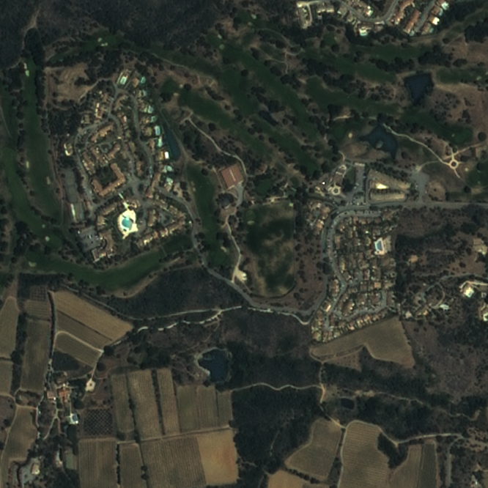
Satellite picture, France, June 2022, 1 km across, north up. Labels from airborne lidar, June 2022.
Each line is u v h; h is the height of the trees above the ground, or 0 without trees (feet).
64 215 0
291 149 0
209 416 0
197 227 0
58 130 23
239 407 32
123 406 0
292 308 0
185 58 0
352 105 0
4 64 25
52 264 0
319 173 35
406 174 21
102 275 0
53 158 0
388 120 53
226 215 0
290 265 0
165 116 0
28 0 21
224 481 0
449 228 24
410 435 26
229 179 0
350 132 0
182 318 23
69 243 29
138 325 26
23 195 0
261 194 0
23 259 0
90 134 0
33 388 0
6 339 0
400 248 19
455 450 33
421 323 31
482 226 27
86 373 0
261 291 0
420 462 0
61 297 0
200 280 18
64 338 0
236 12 32
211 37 0
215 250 0
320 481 25
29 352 0
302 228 24
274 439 21
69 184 0
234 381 29
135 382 0
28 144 0
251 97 42
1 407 0
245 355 50
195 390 0
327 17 18
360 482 0
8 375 0
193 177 0
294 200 28
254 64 0
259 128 23
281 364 23
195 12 26
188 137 38
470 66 0
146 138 41
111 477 0
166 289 21
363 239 20
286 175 0
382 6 23
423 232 0
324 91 0
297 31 32
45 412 28
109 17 25
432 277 27
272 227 0
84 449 0
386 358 0
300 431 25
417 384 23
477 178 0
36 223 0
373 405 50
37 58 43
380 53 0
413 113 0
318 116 24
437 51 36
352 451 0
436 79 0
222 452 0
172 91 0
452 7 33
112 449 0
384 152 0
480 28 41
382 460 0
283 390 23
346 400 0
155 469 0
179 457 0
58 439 32
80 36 25
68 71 0
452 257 18
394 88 0
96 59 31
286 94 0
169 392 0
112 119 28
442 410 0
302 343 0
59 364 31
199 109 0
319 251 25
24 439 0
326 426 0
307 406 32
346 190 34
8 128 0
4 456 0
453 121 0
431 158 0
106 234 0
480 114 0
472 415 24
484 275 24
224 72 0
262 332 0
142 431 0
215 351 0
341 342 0
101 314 0
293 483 0
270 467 28
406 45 33
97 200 22
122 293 0
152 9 23
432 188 0
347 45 0
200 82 0
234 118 0
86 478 0
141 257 0
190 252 19
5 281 0
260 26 0
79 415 0
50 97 0
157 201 0
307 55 0
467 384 0
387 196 0
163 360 22
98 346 0
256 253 0
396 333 0
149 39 20
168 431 0
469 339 23
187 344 0
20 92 22
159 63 24
